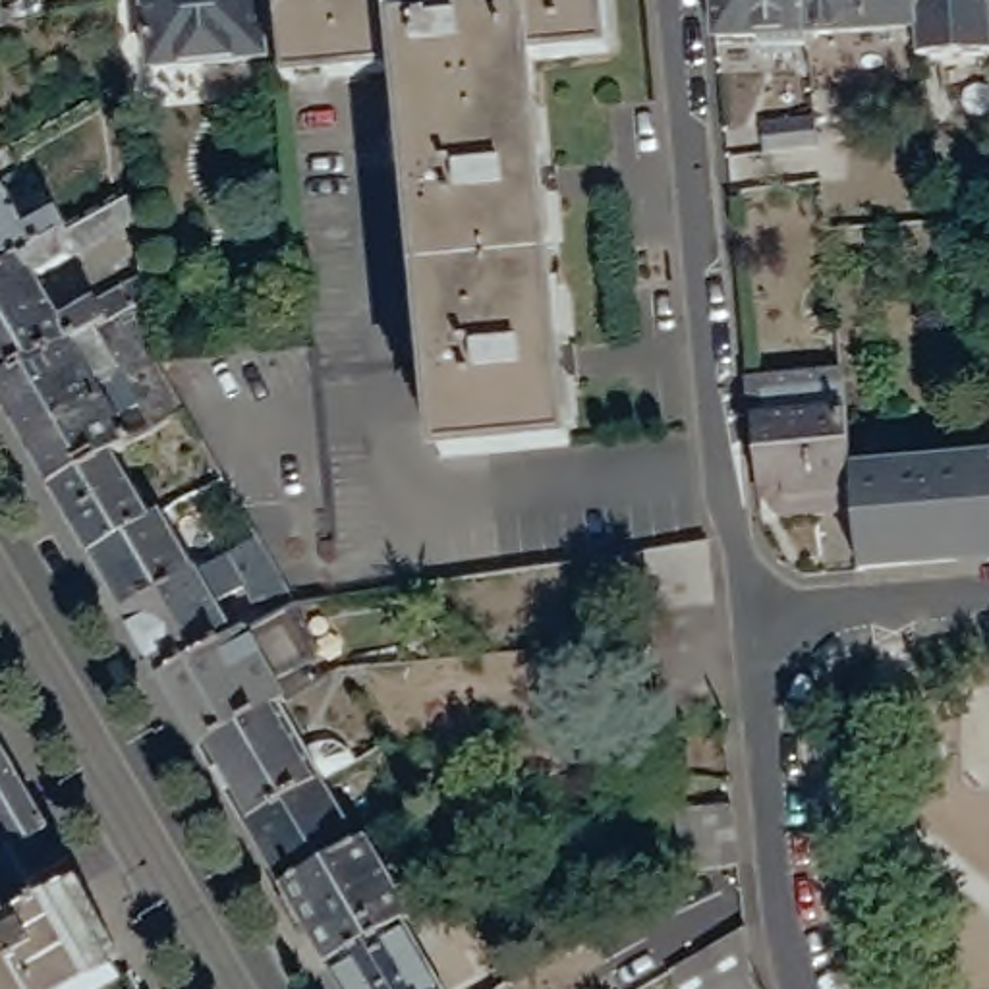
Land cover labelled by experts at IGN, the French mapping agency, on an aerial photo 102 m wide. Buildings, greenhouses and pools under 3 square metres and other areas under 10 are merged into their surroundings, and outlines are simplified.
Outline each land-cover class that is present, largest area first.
<instances>
[{"label":"impervious surface","instance_id":"1","mask_svg":"<svg viewBox=\"0 0 989 989\"><path fill-rule=\"evenodd\" d=\"M120 54L131 70V93L158 89L166 108L201 104V89L209 77L247 73L251 62L247 54L228 50L189 54L174 62L143 58L139 39L131 31L127 0H116ZM657 93L614 116L618 151L610 166L564 170L556 178L560 193L568 201H579L587 193H595L599 185H622L630 193L637 220L634 247L641 251L634 286L641 305V344L630 352H607L576 355L579 371L572 386L579 390V402L603 398L610 390L653 394L661 417L684 421V433H664V444L634 440L630 448L603 452V444L595 440L568 437V448L460 460H444L437 452L444 433L429 429L425 421L421 379L413 367L386 73L367 66L352 81H332L317 104L297 108L294 135L305 151V193L301 232L309 251V259L321 263L317 274L325 282V309L317 317L309 348H232L224 359L197 355L158 363L170 398V417H178L182 429L197 425L209 448L201 471L220 475L236 495L251 514V533L212 545V529L197 522V491L166 506V522H174L182 537L197 545L193 560L209 572V579L236 595L224 599V614L236 626L247 622V637H255V649L274 653V672L282 684V692H274V711L286 722L294 749L309 757L321 777H332L352 765V753L367 726L355 699L344 692V680H352L355 668L367 661V649H344V637L328 630V614L321 603L325 595L398 587L406 595L413 579L460 576L522 564H556V545L572 529H603L610 518L626 522L630 537L645 552L684 541H703L707 549L722 545L726 552L742 730L749 753V784L726 780L719 788L726 792V804L707 807L722 819V827L738 831V838L726 842L719 854L726 862H738V869H715L703 877L692 912L676 916L668 927L630 947L626 954L599 962L595 974L579 981V989H680V981L688 977L680 962L703 954L738 927L753 931V958L746 966L753 970L757 989H842L834 977L850 962V947L834 939L823 916L831 912L842 923H854V908L838 877H819L811 854L850 823V800L831 788V769L819 757H811L807 742L796 746L792 734H784V711L815 703L823 692H912V676L919 668L943 664L947 649H958L966 657L970 637H985L989 645V552L862 560V529L850 522V502L842 498L834 502L831 522L815 514L777 518L769 502H761L753 410L761 398L746 394V379L734 375V355L746 344L730 321V255L722 197L742 193L757 185H788L796 178L804 185L842 182L846 151L842 131L831 93L819 89L811 104L815 120L811 131H804V143L788 147L784 139H777L761 151L753 143L757 116L765 108L796 104L804 73L784 70L780 58L757 62V54H749L746 46H715V35L722 27L711 15V0H645ZM753 70L761 73L753 100L746 104L742 124H730L726 73ZM143 243H131L127 267L104 278H89L85 267L70 259L58 270H46V290L58 305H66L81 294L116 290L131 282L139 270ZM39 460L31 444L19 440L12 417L0 406V668L31 676L42 695V715L35 722L8 726V738L15 742L23 761H31L35 738H50L66 726V734L81 742V761L70 777L46 773L31 780V796L39 804L46 831H58V815L66 807H77L81 815L89 811L104 827L108 838L97 850L77 854L70 877H77L81 900H97V966H116V981L104 989H151L147 947L170 939L189 950L193 966V977L178 989H328L336 981V966L321 958L317 947H309V935L301 927L278 919L274 950H243L224 939V904L236 892L259 885L255 862L247 854L240 858V865L228 873H212L189 862V827L201 815L220 811L212 773L201 769L178 726L155 719L143 734L112 726V692L135 684L131 649L124 645L112 657L85 661L73 649V614L100 603L93 576L81 564L66 560V552L85 537L66 518L54 491L46 495L39 487ZM170 765H185L205 784V796L185 804L182 811H170L158 800V777ZM943 796H931L919 807L923 842L947 854V869H954L958 889L974 900L958 939V970L966 974L970 989H989V684L974 688L962 719L939 726Z\"/></svg>","mask_w":989,"mask_h":989},{"label":"building","instance_id":"2","mask_svg":"<svg viewBox=\"0 0 989 989\"><path fill-rule=\"evenodd\" d=\"M131 31L139 39L143 58L174 62L189 54L228 50L247 54L251 62L274 58L278 70V77L290 85V100L297 108L317 104L332 81H352L367 66L386 73L413 367L421 379L425 421L429 429L444 433L437 452L444 460H460L568 448V437L595 440L599 425H591L579 413V390L572 386L579 371L576 355L564 348V340L576 328L572 290L556 274V251L564 243L560 193L556 178V151L549 147V85L537 73V62L614 54V0H127ZM711 15L722 27L715 35V46H746L749 54H757V62L780 58L784 70L804 73V46H815L819 35L854 39V23H904L908 42L919 46V58L927 62L974 70V62L989 58V0H711ZM815 120L811 104H796L765 108L757 116L753 143L761 151L777 139H784L788 147L804 143V131H811ZM131 209L127 197H112L77 220H66L58 209L46 205L35 212H15L8 189L0 185V406L12 417L19 440L31 444L39 460V487L46 495L54 491L66 518L85 537L66 552V560L81 564L93 576L100 603L108 626L120 630L131 641V649L135 684L155 707V719L178 726L201 769L212 773L220 811L243 823L240 858L247 854L255 862L259 885V892L270 904L278 900V919L301 927L309 935V947H317L321 958L336 966V981L328 989H498L502 981L487 974L483 943L475 931L429 923L417 935L406 927L402 881L394 877L379 846L367 842L363 831H340L344 804L352 796L336 788L332 777H321L309 757L294 749L286 722L274 711V692H282V684L274 672V653L255 649V637H247V622L236 626L224 614V599L236 595L209 579V572L193 560L197 545L182 537L174 522H166V506L143 502V495L131 483L135 464L124 460V452L135 440H151L162 429L158 421L170 417V398L158 363L143 355L147 297L139 270L131 282L116 290L81 294L66 305H58L46 290V270H58L70 259L85 267L89 278H104L127 267L131 243ZM838 363L769 375L757 371L746 379V394L761 398L753 410L761 502H769L777 518L815 514L831 522L834 502L842 498L850 502V522L862 529V560L989 552V444L850 452V413L838 410L834 390ZM645 564L657 576L645 610V653L657 661L653 672L664 676L661 695L676 703H684V695H719L726 746L715 749V761L719 769H726V780L749 784V753L742 730L726 552L722 545L707 549L703 541H684L645 552ZM46 773L31 761H23L15 742L8 738V726L0 722V989H104L116 981V966H97V900H81L77 877H70L77 854L62 842L58 831H46L39 804L31 796V780ZM680 834H692L695 846V869L703 877L715 869H738V862H726L719 854L726 842L738 838V831L722 827V819L707 807H692L676 827ZM753 958V931L738 927L703 954L680 962L688 977L680 981V989H757L753 970L746 966Z\"/></svg>","mask_w":989,"mask_h":989},{"label":"deciduous trees","instance_id":"3","mask_svg":"<svg viewBox=\"0 0 989 989\"><path fill-rule=\"evenodd\" d=\"M120 54L116 0H0V147H4L8 139H23L31 120H58L77 112L81 104H100V62ZM290 100V85L278 77V70L270 66L259 77V89L240 93L236 100L220 104L216 116H209V139L216 147L240 155L278 151V104ZM166 108L158 89L131 93L108 116V120L120 151V170L131 174L143 197L131 209V224H174L182 212V205L170 197V166L158 143ZM850 124L842 131L846 151L896 166L912 197V212H923L931 247L919 255L900 216L865 224L862 243H850L846 232L831 220V209H811L815 321L846 340L865 336L862 355H854V390L862 394L865 410L900 421L916 417L908 410V394H900L912 379V336H889V305L904 301L912 313V332L950 328L954 340H962L974 352V359L954 375V382L923 386L919 413L931 417L939 429H977L989 421V178H962L950 155H935V116L927 97L919 104H904L889 93H862L846 108ZM216 193L224 197L228 240H259L270 236L274 224H290L301 232L305 193L297 201H282L278 170H267L251 182H220ZM637 220L630 193L622 185H599L595 193H587V263L595 282V325L607 352H630L641 344V305L634 286L641 251L634 247ZM780 232L761 228L757 236H746L742 251L730 255V267L753 270L780 267ZM139 270L147 297L143 355L158 363L197 355L224 359L232 348H309L317 317L325 309V282L317 274L321 263L309 259V251L282 247L270 263H255L247 278H232L220 240H209L197 255L174 247V240L143 243ZM664 433H684V421L661 417H622L599 425L595 440L603 444V452L630 448L634 440L664 444ZM197 522L212 529V545L251 533V514L236 495L220 498L216 487L197 491ZM657 576L645 564L614 572L599 579L595 591H583L576 599V618L583 622V634L599 641H626L622 657L645 653V610ZM460 576L413 579L406 595L398 587L325 595L321 603L328 614L340 607H375L382 610V622H394L402 610H410L413 599L429 595L440 607V630L433 634V641H425V649H433L437 657H460L467 672H483L487 653H514V641L491 637V614L460 603ZM73 649L85 661L112 657L124 645L131 649V641L120 630L108 626L100 603L73 614ZM912 692H823L815 703L784 711V734H792L796 746L807 742L811 757H819L831 769V788L850 800V823L811 854L819 877H838L854 908V923H842L831 912L823 916L834 939L850 947V962L834 977L842 989H970L966 974L958 970V939L974 900L958 889L954 869H947V854L923 842L919 807L931 796H943L939 726L962 719L974 688L989 684V645L985 637H970L966 657L958 649H947L943 664L919 668L912 676ZM42 715V695L31 676L0 668V722L8 726L35 722ZM112 726L143 734L155 719V707L135 684L112 692ZM514 730H522V715L518 707L491 703L483 730L456 746L444 777L410 796L402 811H382L363 831L367 842L379 846L406 842L440 807V800H475L483 815L456 823V842L448 850H437L425 865L410 862L402 881L406 927L417 935L429 923L475 931L483 943L487 974L502 981L533 974L552 954L572 947H591L603 954L622 943L630 947L668 927L676 916L692 912L703 877L695 869V846L684 850L668 869H657V862L645 854L572 862L560 854V846L572 834L614 815L676 827L692 807L688 742L711 738L715 749L726 746L719 695H684V703H676L672 719L657 730L653 749L641 757V765L626 769L618 765V753H610L607 761L564 765L560 777L545 773L518 780L522 761L510 753V738ZM379 746L386 757L398 753L413 765L433 761L437 746L429 742L425 726L398 734L379 719L367 726L352 753ZM31 761L46 773L70 777L81 761V742L66 734V726L50 738H35ZM205 796V784L185 765H170L158 777V800L170 811H182L185 804ZM62 842L77 854L97 850L108 838L104 827L89 811L81 815L77 807H66L58 815V831ZM243 823L220 811L201 815L189 827V862L212 873H228L240 865V858ZM278 900L270 904L259 892V885L236 892L224 904V939L243 950H274L278 919ZM151 989H178L193 977V966L189 950L170 939L147 947Z\"/></svg>","mask_w":989,"mask_h":989},{"label":"herbaceous vegetation","instance_id":"4","mask_svg":"<svg viewBox=\"0 0 989 989\"><path fill-rule=\"evenodd\" d=\"M614 54L537 62V73L549 85V147L556 151V178L564 170L610 166L618 151L614 116L657 93L645 0H614ZM854 39L819 35L815 46H804V73L796 104H811L819 89L831 93L842 131L850 124L846 108L862 93H889L904 104H919L927 97L935 116V155H950L962 178H989V58L974 62V70L927 62L919 58V46L908 42L904 23H854ZM131 93V70L120 54L100 62V104L108 116ZM270 66L278 70L274 58L251 62L247 73L209 77L201 89V104L166 108L158 143L170 166V197L182 205V212L174 224H131V243H143L174 240V247L197 255L209 240H220L232 278H247L255 263H270L282 247L309 251L301 232L290 224H274L270 236L259 240H228L224 197L216 193L220 182H251L267 170H278V151L240 155L216 147L209 139V116H216L220 104L236 100L240 93L259 89V77ZM761 73L753 70L726 73L730 124H742L746 104L753 100ZM0 185L8 189L15 212H35L46 205L58 209L66 220H77L112 197H127L131 209L143 197L131 174L120 170V151L108 120L97 124V135L89 139L73 131L50 143L35 162L12 166L4 147H0ZM746 236H757L761 228L780 232V267L753 270L749 286L757 313V348L765 352L757 371L769 375L838 363L834 390L838 410L850 413V452L989 444V421L977 429H939L931 417L919 413L923 386L954 382V375L974 359V352L962 340H954L950 328L912 332V313L904 301L889 305V336H912V379L900 394H908V410L916 417L900 421L865 410L862 394L854 390V355H862L865 336L846 340L815 321L811 209H831V220L846 232L850 243H862L865 224L900 216L919 255L931 247L923 212H912V197L896 166L846 151L842 182L804 185L796 178L788 185H757L742 193ZM564 243L556 251V274L572 290L576 328L564 340V348L576 355L607 352L595 325V282L587 263V193L579 201H568L560 193ZM579 413L591 425H599L622 417H661L653 394L610 390L603 398L579 402ZM162 429L151 440H135L124 452V460L135 464L131 483L143 495V502L166 506L197 491L216 487L220 498L236 495L220 475L201 471L209 448L197 425L182 429L178 417H170L158 421ZM556 564H522L460 576V603L491 614V637L514 641V653H487L483 672H467L460 657H437L433 649H425V641H433V634L440 630V607L429 595L413 599L410 610H402L394 622H382V610L375 607H340L328 614V630L344 637V649H367V661L355 668L352 680H344V692L355 699L367 726L379 719L398 734L425 726L429 742L437 746L433 761L413 765L398 753L386 757L379 746L352 753V765L332 777L336 788L352 796L344 804L340 831H363L382 811H402L410 796L444 777L456 746L483 730L491 703L518 707L522 715V730H514L510 738V753L522 761L518 780L545 773L560 777L564 765L549 761L552 746L545 738V711L537 688L541 668H560L556 649L576 645L583 634V622L576 618V599L583 591H595L599 579L614 572L645 564V552L630 537L626 522L610 518L603 529H572L556 545ZM692 807H707L726 804V792L719 788L726 780V769H719L715 761V749L711 738L688 742ZM483 815L475 800H440V807L406 842L379 846L394 877L402 881L410 862L425 865L437 850H448L456 842V823ZM695 846L692 834H680L676 827L614 815L572 834L560 846V854L572 862L645 854L657 862V869H668L684 850ZM630 947L622 943L603 954L591 947H572L552 954L533 974L502 981L498 989H579V981L595 974L599 962L626 954Z\"/></svg>","mask_w":989,"mask_h":989},{"label":"coniferous trees","instance_id":"5","mask_svg":"<svg viewBox=\"0 0 989 989\"><path fill-rule=\"evenodd\" d=\"M626 641H599L583 634L576 645L556 649L560 668H541L537 688L545 711V738L552 746L549 761L564 765L607 761L610 753H618V765L626 769L641 765V757L653 749L657 730L672 719L676 703L661 695L664 676L653 672L657 661L645 653L622 657Z\"/></svg>","mask_w":989,"mask_h":989},{"label":"brushwood","instance_id":"6","mask_svg":"<svg viewBox=\"0 0 989 989\"><path fill-rule=\"evenodd\" d=\"M108 120V116L100 104H81L77 112L58 120H31L23 139H8L4 147L12 166L35 162L50 143L73 131L89 139L97 135V124ZM278 170L282 201H297L305 193V151L294 135L297 108L290 100L278 104ZM730 255L742 251L746 236L742 193L722 197ZM753 270L730 267V321L746 344L734 355V375L746 379L757 371L765 352L757 348V313L749 286Z\"/></svg>","mask_w":989,"mask_h":989}]
</instances>
